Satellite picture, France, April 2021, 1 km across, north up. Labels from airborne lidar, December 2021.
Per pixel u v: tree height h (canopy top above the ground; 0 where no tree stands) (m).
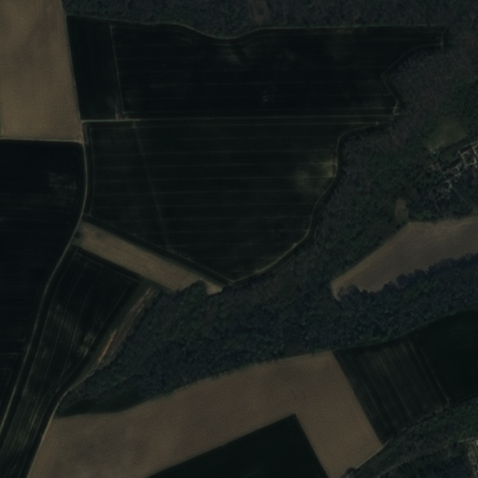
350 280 0
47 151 0
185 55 0
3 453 0
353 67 0
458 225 0
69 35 0
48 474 0
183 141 0
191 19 18
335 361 0
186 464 0
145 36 0
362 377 0
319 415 0
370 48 0
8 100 0
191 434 0
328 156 0
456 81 8
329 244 20
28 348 0
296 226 0
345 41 0
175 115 0
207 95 0
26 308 0
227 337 29
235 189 0
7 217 0
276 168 0
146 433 0
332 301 36
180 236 0
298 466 0
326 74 0
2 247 0
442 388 0
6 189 0
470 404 13
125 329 0
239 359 20
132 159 0
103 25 0
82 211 0
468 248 0
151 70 0
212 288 0
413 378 0
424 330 0
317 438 0
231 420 0
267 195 0
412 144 19
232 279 0
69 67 0
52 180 0
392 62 0
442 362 0
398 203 0
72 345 0
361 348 0
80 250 0
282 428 0
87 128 0
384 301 25
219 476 0
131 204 0
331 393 0
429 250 0
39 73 0
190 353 29
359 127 0
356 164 21
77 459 0
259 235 0
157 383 24
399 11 25
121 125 0
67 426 0
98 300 0
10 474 0
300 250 17
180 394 0
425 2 19
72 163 0
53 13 0
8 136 0
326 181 0
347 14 19
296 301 6
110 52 0
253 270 0
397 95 0
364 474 8
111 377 19
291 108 0
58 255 0
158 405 0
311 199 0
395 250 0
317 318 28
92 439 0
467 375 0
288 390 0
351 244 19
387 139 15
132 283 0
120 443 0
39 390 0
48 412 0
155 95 0
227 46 0
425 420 10
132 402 0
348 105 0
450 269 25
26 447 0
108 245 0
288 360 0
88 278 0
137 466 0
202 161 0
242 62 0
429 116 21
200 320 28
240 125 0
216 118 0
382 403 0
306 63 0
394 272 0
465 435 13
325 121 0
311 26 15
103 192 0
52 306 0
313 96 0
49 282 0
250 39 0
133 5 18
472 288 20
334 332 26
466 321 0
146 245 0
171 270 0
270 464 0
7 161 0
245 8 18
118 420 0
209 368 24
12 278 0
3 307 0
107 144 0
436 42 0
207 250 0
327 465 0
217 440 0
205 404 0
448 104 16
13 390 0
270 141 0
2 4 0
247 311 32
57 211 0
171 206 0
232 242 0
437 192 16
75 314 0
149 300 0
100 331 0
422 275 18
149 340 20
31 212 0
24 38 0
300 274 25
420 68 23
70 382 0
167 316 21
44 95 0
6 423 0
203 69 0
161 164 0
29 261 0
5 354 0
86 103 0
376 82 0
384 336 17
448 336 0
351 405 0
